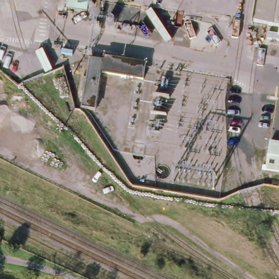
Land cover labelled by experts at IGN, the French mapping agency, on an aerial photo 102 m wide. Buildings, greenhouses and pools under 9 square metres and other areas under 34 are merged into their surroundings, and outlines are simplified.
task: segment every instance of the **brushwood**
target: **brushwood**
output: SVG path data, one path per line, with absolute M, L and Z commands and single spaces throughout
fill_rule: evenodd
M 262 190 L 257 190 L 257 194 L 260 199 L 260 204 L 270 207 L 277 207 L 279 209 L 279 185 L 264 183 L 262 185 Z
M 266 211 L 242 207 L 233 207 L 231 206 L 232 202 L 244 203 L 242 195 L 239 192 L 235 192 L 227 196 L 228 202 L 215 202 L 173 195 L 168 198 L 168 203 L 183 204 L 189 210 L 213 218 L 222 228 L 229 226 L 231 230 L 246 236 L 248 241 L 259 245 L 264 250 L 263 257 L 279 251 L 279 210 Z

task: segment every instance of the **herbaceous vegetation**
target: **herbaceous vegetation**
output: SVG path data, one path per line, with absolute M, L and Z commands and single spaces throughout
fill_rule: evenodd
M 5 256 L 25 260 L 33 256 L 22 247 L 13 247 L 12 244 L 0 240 L 0 252 Z
M 196 277 L 191 268 L 178 265 L 184 257 L 165 245 L 168 234 L 159 239 L 157 234 L 151 235 L 146 232 L 146 228 L 137 221 L 122 219 L 62 187 L 36 177 L 13 162 L 0 158 L 0 195 L 44 214 L 62 223 L 63 226 L 94 239 L 97 243 L 109 245 L 123 255 L 142 260 L 143 263 L 150 265 L 156 274 L 167 274 L 175 279 L 201 279 Z
M 279 279 L 279 251 L 263 257 L 264 250 L 259 245 L 248 241 L 246 236 L 231 230 L 229 226 L 222 228 L 213 218 L 189 210 L 183 204 L 168 203 L 168 198 L 173 195 L 215 202 L 228 202 L 227 196 L 210 197 L 192 193 L 157 189 L 157 187 L 144 186 L 132 183 L 128 177 L 126 177 L 126 174 L 119 165 L 119 162 L 111 154 L 111 151 L 105 144 L 105 142 L 102 141 L 102 138 L 95 129 L 95 126 L 93 125 L 92 121 L 90 121 L 89 118 L 86 116 L 86 113 L 81 109 L 75 107 L 74 100 L 71 94 L 71 89 L 68 83 L 68 77 L 66 77 L 65 74 L 64 66 L 60 66 L 60 68 L 57 69 L 51 68 L 45 71 L 45 74 L 39 74 L 35 77 L 29 78 L 29 80 L 25 82 L 19 83 L 17 88 L 23 89 L 24 92 L 27 89 L 32 94 L 28 97 L 32 100 L 29 102 L 31 109 L 22 111 L 34 114 L 40 110 L 44 113 L 54 133 L 62 136 L 62 139 L 81 155 L 85 166 L 83 171 L 92 175 L 93 182 L 97 184 L 96 192 L 104 190 L 104 193 L 111 194 L 111 198 L 116 197 L 121 205 L 129 203 L 130 208 L 139 215 L 162 215 L 173 219 L 257 279 Z M 118 184 L 110 183 L 104 170 L 95 165 L 81 145 L 84 145 L 100 165 L 109 170 L 129 190 L 165 198 L 159 201 L 157 198 L 124 192 Z

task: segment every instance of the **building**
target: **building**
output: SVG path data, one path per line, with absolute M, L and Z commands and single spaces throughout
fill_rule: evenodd
M 41 64 L 41 68 L 43 68 L 45 71 L 51 68 L 51 64 L 46 56 L 45 50 L 43 48 L 38 49 L 36 51 L 37 58 Z
M 60 11 L 65 11 L 68 8 L 86 10 L 87 2 L 92 1 L 94 3 L 96 2 L 96 0 L 60 0 L 58 5 L 58 9 Z
M 131 80 L 133 83 L 136 83 L 137 85 L 139 83 L 142 83 L 144 80 L 145 65 L 147 65 L 147 61 L 144 61 L 144 59 L 122 56 L 122 54 L 120 54 L 120 56 L 112 56 L 112 54 L 107 53 L 100 58 L 93 57 L 92 59 L 90 59 L 88 68 L 84 72 L 86 80 L 83 92 L 83 100 L 80 102 L 80 106 L 82 108 L 89 110 L 90 107 L 99 106 L 101 99 L 105 96 L 107 76 L 128 78 L 128 80 Z
M 124 151 L 122 157 L 126 161 L 126 163 L 128 163 L 135 177 L 139 178 L 139 181 L 144 182 L 147 180 L 155 180 L 156 173 L 154 156 L 145 156 L 143 158 L 142 156 L 133 156 L 131 153 L 128 153 L 128 151 Z
M 250 19 L 247 20 L 248 24 L 250 24 L 251 26 L 275 26 L 276 31 L 266 32 L 266 37 L 271 37 L 271 39 L 277 39 L 279 37 L 279 0 L 254 0 L 253 17 L 250 17 Z
M 60 52 L 61 54 L 65 54 L 65 56 L 72 56 L 71 49 L 62 48 Z
M 270 139 L 266 154 L 266 163 L 262 167 L 265 171 L 275 171 L 279 173 L 279 141 L 277 141 L 277 139 Z
M 171 36 L 167 32 L 167 29 L 159 20 L 159 17 L 155 13 L 155 11 L 149 8 L 146 14 L 149 17 L 149 20 L 151 21 L 151 23 L 153 23 L 156 31 L 159 32 L 163 40 L 169 40 Z

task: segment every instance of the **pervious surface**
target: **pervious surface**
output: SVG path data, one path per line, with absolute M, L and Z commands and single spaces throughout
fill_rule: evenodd
M 173 219 L 162 215 L 139 215 L 130 208 L 129 203 L 121 205 L 116 197 L 111 198 L 111 194 L 104 193 L 104 190 L 96 192 L 97 184 L 93 182 L 92 175 L 83 171 L 85 166 L 81 155 L 62 139 L 62 136 L 54 133 L 44 113 L 40 110 L 34 114 L 22 111 L 31 109 L 29 102 L 32 100 L 28 97 L 32 94 L 27 89 L 24 92 L 23 89 L 17 88 L 19 83 L 14 82 L 12 78 L 10 78 L 8 75 L 5 75 L 0 80 L 0 158 L 13 162 L 36 177 L 62 187 L 122 219 L 137 221 L 146 228 L 146 232 L 151 235 L 157 234 L 159 239 L 168 234 L 165 245 L 184 257 L 178 265 L 191 268 L 196 277 L 201 279 L 257 279 Z
M 69 269 L 66 274 L 76 272 L 87 279 L 175 279 L 167 274 L 156 274 L 150 265 L 143 263 L 142 260 L 123 255 L 109 245 L 97 243 L 94 239 L 63 226 L 62 223 L 44 214 L 0 195 L 0 240 L 12 244 L 13 247 L 22 247 L 33 256 L 43 255 L 49 262 Z

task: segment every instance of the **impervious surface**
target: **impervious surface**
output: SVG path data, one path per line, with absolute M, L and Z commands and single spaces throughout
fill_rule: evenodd
M 270 207 L 260 204 L 260 199 L 257 194 L 257 190 L 262 190 L 262 185 L 264 183 L 279 185 L 279 173 L 275 171 L 265 171 L 262 167 L 266 163 L 266 154 L 270 139 L 277 139 L 277 141 L 279 141 L 279 37 L 277 39 L 271 39 L 271 37 L 266 37 L 266 32 L 276 31 L 275 26 L 251 26 L 250 24 L 248 24 L 247 20 L 250 19 L 250 17 L 253 17 L 254 0 L 96 0 L 96 2 L 94 3 L 92 1 L 87 2 L 86 10 L 68 8 L 65 11 L 60 11 L 58 9 L 58 5 L 60 0 L 0 0 L 0 80 L 5 75 L 8 75 L 10 78 L 12 78 L 14 82 L 19 83 L 25 82 L 29 80 L 29 78 L 35 77 L 39 74 L 45 74 L 45 71 L 43 68 L 41 68 L 41 64 L 37 58 L 36 51 L 38 49 L 43 48 L 45 50 L 46 56 L 51 64 L 51 68 L 57 69 L 60 68 L 60 66 L 64 66 L 65 74 L 66 77 L 68 77 L 68 83 L 71 89 L 71 94 L 74 100 L 75 107 L 81 109 L 86 113 L 86 116 L 89 118 L 90 121 L 92 121 L 93 125 L 95 126 L 95 129 L 102 138 L 102 141 L 105 142 L 105 144 L 111 151 L 111 154 L 119 162 L 119 165 L 126 174 L 126 177 L 128 177 L 132 183 L 144 186 L 157 187 L 157 189 L 192 193 L 210 197 L 227 196 L 235 192 L 239 192 L 242 195 L 244 203 L 232 202 L 231 206 L 233 207 L 242 207 L 266 211 L 279 210 L 279 209 L 277 207 Z M 149 8 L 155 11 L 155 13 L 159 17 L 159 20 L 167 29 L 167 32 L 171 36 L 169 40 L 163 40 L 159 32 L 156 31 L 153 23 L 151 23 L 151 21 L 149 20 L 149 17 L 146 14 Z M 61 54 L 60 52 L 62 48 L 71 49 L 72 56 L 65 56 L 65 54 Z M 144 80 L 142 83 L 139 83 L 137 85 L 136 83 L 133 83 L 131 80 L 128 80 L 128 78 L 107 76 L 105 96 L 101 99 L 99 106 L 90 107 L 89 110 L 82 108 L 80 106 L 80 102 L 83 100 L 83 92 L 86 80 L 84 72 L 88 68 L 90 59 L 92 59 L 93 57 L 100 58 L 107 53 L 112 54 L 112 56 L 120 56 L 120 54 L 122 54 L 122 56 L 144 59 L 144 61 L 147 61 L 147 65 L 145 65 Z M 144 182 L 139 181 L 139 178 L 135 177 L 128 163 L 126 163 L 126 161 L 122 157 L 124 151 L 128 151 L 128 153 L 131 153 L 133 156 L 142 156 L 143 158 L 145 156 L 154 156 L 156 173 L 155 180 L 147 180 Z
M 43 255 L 33 256 L 25 260 L 5 256 L 0 252 L 0 279 L 87 279 L 76 272 L 66 274 L 69 269 L 49 262 Z
M 100 165 L 84 145 L 81 145 L 95 165 L 104 170 L 110 183 L 118 184 L 124 192 L 157 198 L 159 201 L 165 198 L 129 190 L 109 170 Z

